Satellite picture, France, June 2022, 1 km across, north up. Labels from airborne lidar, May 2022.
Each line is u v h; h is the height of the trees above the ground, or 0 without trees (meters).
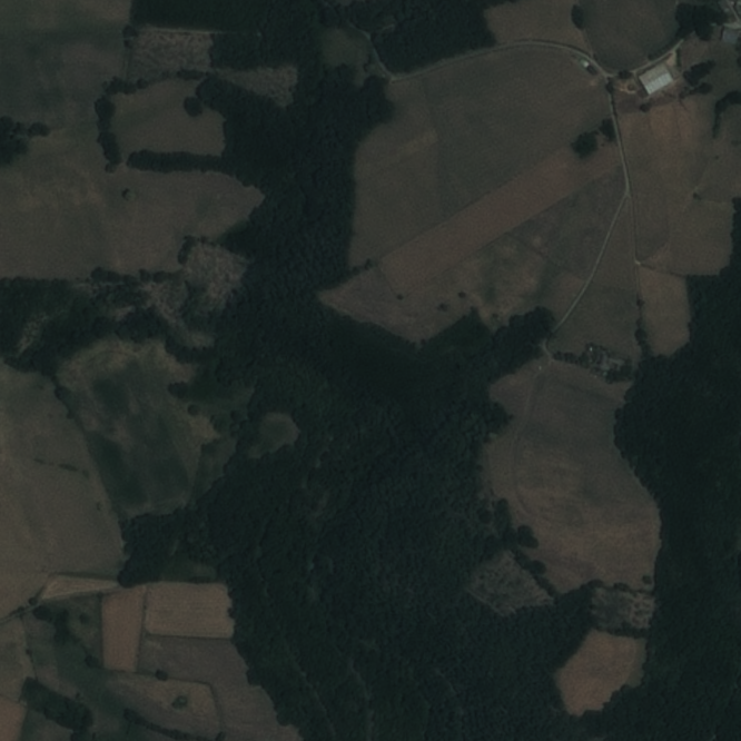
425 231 0
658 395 13
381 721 13
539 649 17
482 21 17
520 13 0
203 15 6
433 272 0
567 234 0
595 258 0
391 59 16
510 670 12
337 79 11
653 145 0
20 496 0
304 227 17
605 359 0
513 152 0
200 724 0
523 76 0
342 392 19
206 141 0
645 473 17
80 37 0
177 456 0
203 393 0
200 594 0
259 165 16
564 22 0
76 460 0
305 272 21
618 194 0
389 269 0
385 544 13
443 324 0
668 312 0
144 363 0
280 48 16
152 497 0
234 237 13
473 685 15
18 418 0
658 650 15
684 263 0
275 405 19
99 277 21
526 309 0
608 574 0
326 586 31
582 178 0
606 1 0
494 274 0
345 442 13
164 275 14
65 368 0
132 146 0
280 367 17
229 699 0
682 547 14
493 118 0
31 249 0
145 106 0
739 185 0
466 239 0
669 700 20
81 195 0
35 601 11
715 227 0
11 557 0
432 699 25
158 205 0
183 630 0
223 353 14
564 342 0
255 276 28
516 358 13
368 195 0
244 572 25
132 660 0
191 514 14
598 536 0
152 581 9
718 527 17
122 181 0
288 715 11
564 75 0
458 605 6
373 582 15
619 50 0
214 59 17
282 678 12
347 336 6
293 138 20
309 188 33
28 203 0
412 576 8
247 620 15
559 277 0
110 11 0
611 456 0
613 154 0
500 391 0
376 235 0
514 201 0
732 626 11
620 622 0
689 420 13
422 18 19
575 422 0
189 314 18
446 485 12
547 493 0
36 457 0
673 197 0
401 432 22
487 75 0
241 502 21
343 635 17
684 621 21
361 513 12
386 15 20
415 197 0
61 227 0
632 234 0
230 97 19
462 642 14
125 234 0
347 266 10
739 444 17
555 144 0
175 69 0
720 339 14
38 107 0
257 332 27
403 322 0
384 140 0
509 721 10
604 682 0
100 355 0
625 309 0
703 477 16
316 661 16
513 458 0
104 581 0
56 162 0
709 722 18
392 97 0
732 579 19
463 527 12
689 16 16
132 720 16
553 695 12
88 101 0
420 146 0
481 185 0
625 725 11
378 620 19
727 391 17
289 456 14
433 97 0
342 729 12
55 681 0
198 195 0
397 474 13
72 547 0
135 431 0
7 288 6
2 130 16
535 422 0
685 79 12
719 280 15
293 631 17
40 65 0
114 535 0
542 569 16
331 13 19
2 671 0
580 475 0
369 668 15
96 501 0
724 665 19
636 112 0
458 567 8
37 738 0
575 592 10
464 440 9
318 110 28
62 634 8
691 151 0
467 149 0
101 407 0
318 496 6
